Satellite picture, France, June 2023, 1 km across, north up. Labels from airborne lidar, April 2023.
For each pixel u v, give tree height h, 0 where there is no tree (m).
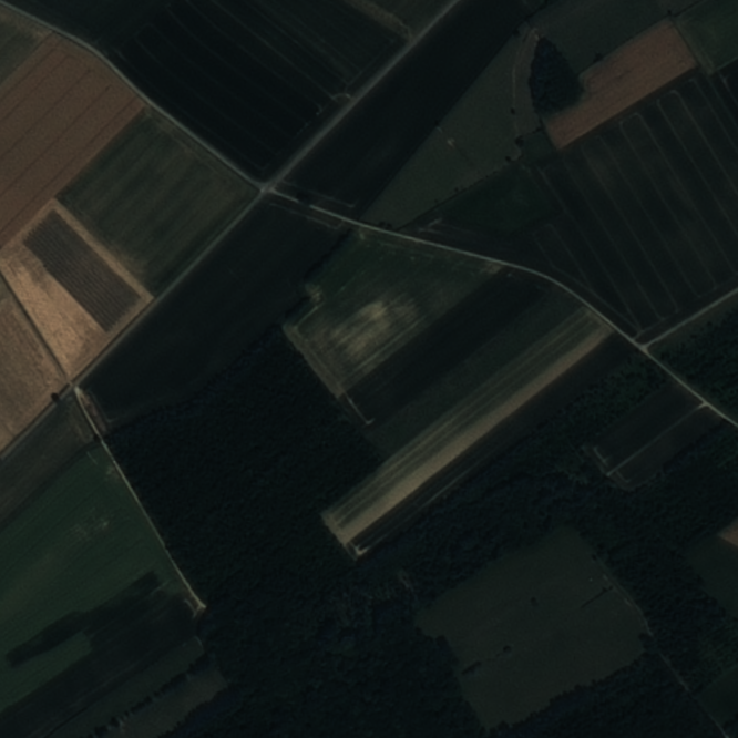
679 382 0
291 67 0
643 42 0
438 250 0
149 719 0
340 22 0
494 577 0
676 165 0
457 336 0
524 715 0
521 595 0
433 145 0
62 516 0
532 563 0
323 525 8
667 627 16
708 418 0
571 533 0
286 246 0
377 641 22
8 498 0
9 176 0
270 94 0
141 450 14
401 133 0
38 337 0
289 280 0
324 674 22
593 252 0
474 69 0
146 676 0
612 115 0
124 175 0
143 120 0
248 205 0
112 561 0
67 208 0
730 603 0
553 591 0
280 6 0
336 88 0
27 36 0
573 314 0
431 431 0
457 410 0
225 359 0
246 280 0
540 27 0
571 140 0
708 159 0
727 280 0
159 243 0
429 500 0
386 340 0
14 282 0
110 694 0
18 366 0
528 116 0
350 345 0
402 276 0
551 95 21
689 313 0
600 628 0
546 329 0
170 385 0
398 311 0
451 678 18
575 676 0
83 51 0
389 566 17
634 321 0
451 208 0
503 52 0
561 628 0
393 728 22
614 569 7
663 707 15
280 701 20
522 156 0
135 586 0
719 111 0
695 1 0
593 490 14
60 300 0
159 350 0
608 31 0
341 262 0
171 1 0
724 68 0
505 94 0
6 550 0
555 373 0
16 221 0
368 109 0
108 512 0
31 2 0
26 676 0
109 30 0
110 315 0
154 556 0
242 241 0
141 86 0
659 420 0
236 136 0
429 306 0
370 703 26
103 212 0
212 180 0
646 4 0
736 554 0
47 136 0
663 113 0
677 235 0
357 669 25
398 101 0
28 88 0
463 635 0
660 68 0
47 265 0
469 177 0
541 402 0
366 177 0
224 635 19
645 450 0
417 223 0
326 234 0
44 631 0
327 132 0
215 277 0
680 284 0
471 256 0
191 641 0
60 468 0
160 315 0
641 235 0
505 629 0
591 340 0
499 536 14
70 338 0
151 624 0
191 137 0
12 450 0
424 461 0
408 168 0
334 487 12
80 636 0
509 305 0
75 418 0
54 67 0
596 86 0
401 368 0
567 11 0
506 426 0
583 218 0
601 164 0
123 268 0
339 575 14
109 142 0
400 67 0
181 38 0
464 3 0
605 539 14
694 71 0
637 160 0
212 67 0
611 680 10
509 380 0
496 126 0
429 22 0
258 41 0
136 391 0
